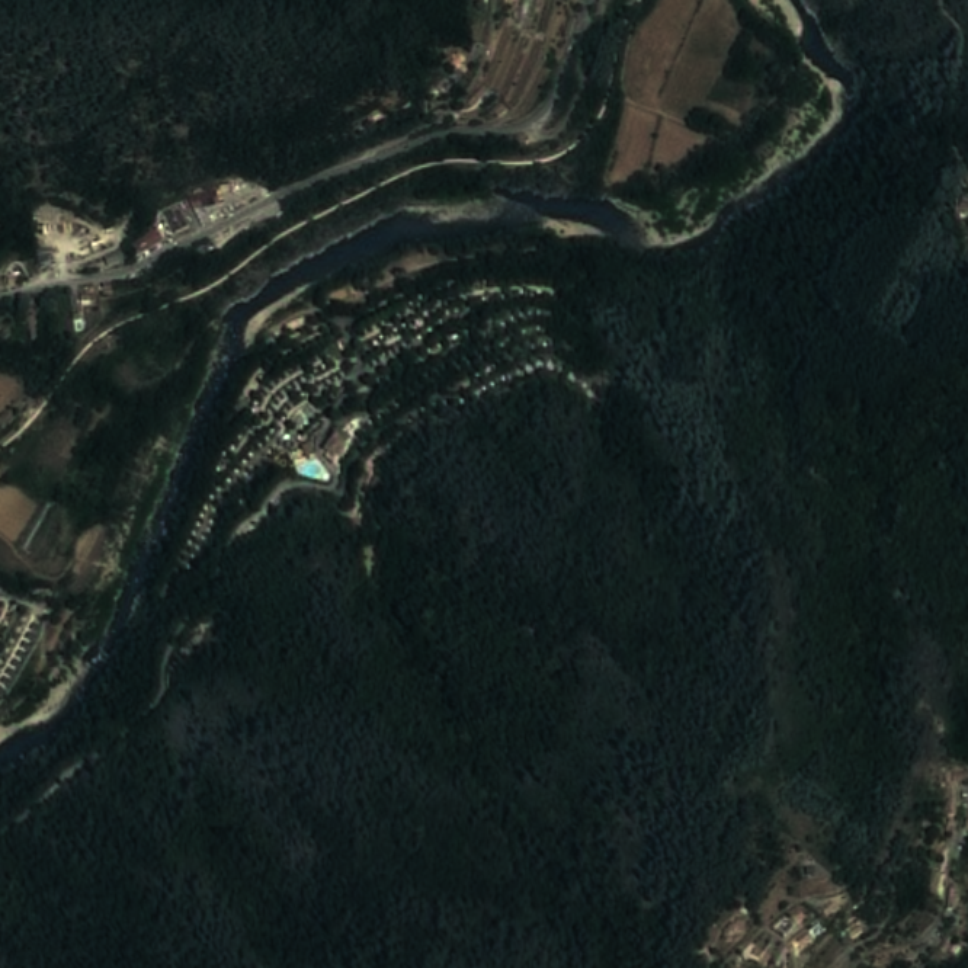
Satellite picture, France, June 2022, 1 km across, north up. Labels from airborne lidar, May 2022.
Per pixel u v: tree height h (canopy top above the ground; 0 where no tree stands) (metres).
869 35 9
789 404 18
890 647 11
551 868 14
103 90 22
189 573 27
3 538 0
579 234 14
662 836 18
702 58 0
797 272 30
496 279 9
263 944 17
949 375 19
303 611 10
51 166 7
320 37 20
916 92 6
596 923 16
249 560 6
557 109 10
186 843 11
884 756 10
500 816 13
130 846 10
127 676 20
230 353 0
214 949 9
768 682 14
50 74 23
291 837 6
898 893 6
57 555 0
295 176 18
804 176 20
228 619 18
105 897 9
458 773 19
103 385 10
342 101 16
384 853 6
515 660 5
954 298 30
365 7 25
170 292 6
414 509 23
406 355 13
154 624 10
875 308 30
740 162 9
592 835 11
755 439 7
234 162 12
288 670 16
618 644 12
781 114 8
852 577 13
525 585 14
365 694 11
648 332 9
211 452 25
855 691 18
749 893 22
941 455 14
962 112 7
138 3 25
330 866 9
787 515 21
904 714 9
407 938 6
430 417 7
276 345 12
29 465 0
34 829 7
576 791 9
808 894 0
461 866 7
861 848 17
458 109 15
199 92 13
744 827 15
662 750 19
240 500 8
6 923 12
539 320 7
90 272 13
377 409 10
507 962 16
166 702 12
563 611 10
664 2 0
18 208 15
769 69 12
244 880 12
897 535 10
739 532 18
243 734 19
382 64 14
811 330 30
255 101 26
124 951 15
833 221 18
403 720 15
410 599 13
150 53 10
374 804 6
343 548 20
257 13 20
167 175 11
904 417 17
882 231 29
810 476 15
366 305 10
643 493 8
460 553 13
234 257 11
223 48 21
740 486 10
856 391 27
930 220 26
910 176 22
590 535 11
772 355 16
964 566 10
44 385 7
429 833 8
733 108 0
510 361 12
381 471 7
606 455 13
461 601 17
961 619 12
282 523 8
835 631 13
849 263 32
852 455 18
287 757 24
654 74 0
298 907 11
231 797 10
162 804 15
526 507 26
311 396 11
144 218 20
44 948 11
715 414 11
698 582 14
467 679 6
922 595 7
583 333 13
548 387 19
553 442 10
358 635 22
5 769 13
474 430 8
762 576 17
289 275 0
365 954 15
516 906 7
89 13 20
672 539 10
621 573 8
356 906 9
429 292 8
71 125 9
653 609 9
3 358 8
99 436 10
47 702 0
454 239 11
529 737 16
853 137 16
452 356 9
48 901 9
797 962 0
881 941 9
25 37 20
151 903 12
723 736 8
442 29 15
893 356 31
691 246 9
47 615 11
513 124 0
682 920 25
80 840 8
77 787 9
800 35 0
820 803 18
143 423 11
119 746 12
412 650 22
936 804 10
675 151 0
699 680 19
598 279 15
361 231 0
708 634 10
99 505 9
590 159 8
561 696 10
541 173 11
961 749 7
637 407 14
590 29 10
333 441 0
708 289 11
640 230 0
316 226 8
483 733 7
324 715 20
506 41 0
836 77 0
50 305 16
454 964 20
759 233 28
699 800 25
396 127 8
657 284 7
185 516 14
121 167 12
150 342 7
